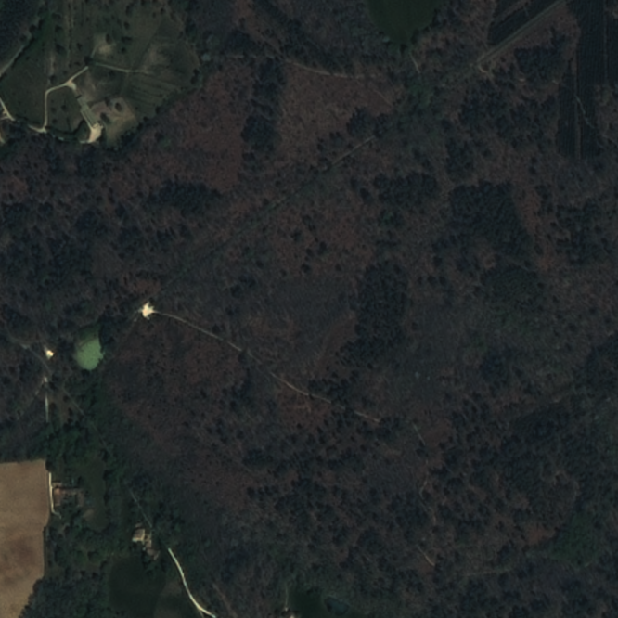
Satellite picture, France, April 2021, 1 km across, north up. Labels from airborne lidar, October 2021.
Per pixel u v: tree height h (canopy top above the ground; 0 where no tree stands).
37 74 0
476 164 16
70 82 0
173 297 12
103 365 6
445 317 18
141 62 0
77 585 17
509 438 21
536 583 12
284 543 21
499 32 8
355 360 23
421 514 23
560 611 15
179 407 6
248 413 13
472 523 14
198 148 8
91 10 0
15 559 0
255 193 9
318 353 14
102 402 15
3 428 12
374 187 12
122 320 12
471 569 20
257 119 10
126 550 18
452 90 13
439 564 13
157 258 6
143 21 0
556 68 28
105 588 19
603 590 13
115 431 9
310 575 23
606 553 18
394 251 23
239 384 10
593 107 9
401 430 22
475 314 23
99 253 17
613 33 9
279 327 13
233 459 9
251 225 15
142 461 7
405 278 27
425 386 14
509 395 10
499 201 26
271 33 9
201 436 9
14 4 15
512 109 11
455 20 26
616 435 18
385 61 12
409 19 0
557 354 17
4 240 20
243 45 16
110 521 15
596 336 10
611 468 26
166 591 0
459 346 18
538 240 7
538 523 15
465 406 8
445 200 10
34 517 0
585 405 23
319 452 18
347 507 21
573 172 13
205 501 11
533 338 24
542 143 23
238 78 7
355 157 22
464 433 19
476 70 11
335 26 9
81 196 9
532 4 6
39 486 0
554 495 20
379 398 8
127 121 0
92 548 25
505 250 24
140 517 15
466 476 10
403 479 17
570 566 12
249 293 14
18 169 7
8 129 15
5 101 9
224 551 14
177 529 26
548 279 11
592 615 28
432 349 16
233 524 19
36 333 19
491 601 17
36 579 0
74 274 29
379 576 13
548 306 12
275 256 9
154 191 15
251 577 15
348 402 21
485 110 24
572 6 8
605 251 15
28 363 6
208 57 19
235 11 7
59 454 18
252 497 13
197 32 24
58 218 11
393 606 26
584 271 21
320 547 27
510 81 19
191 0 10
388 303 20
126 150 10
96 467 0
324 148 20
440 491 15
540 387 13
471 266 24
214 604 13
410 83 20
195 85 15
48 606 20
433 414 6
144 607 0
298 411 6
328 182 16
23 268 28
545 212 9
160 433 6
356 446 17
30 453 13
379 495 16
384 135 21
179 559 10
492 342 19
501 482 7
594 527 20
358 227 8
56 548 16
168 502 16
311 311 12
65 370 9
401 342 21
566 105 8
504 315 21
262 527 18
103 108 0
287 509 24
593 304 12
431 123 16
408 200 27
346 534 8
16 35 15
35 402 12
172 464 9
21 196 11
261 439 17
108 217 7
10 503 0
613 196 8
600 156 15
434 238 11
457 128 6
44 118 0
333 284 7
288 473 23
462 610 11
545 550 16
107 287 9
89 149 11
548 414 10
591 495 28
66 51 12
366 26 12
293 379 13
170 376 6
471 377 13
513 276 26
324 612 0
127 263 23
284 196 7
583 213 13
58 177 25
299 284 9
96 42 0
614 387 21
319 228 6
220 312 19
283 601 22
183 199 24
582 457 28
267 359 7
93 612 22
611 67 10
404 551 13
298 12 11
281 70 12
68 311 13
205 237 13
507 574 9
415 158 12
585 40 9
